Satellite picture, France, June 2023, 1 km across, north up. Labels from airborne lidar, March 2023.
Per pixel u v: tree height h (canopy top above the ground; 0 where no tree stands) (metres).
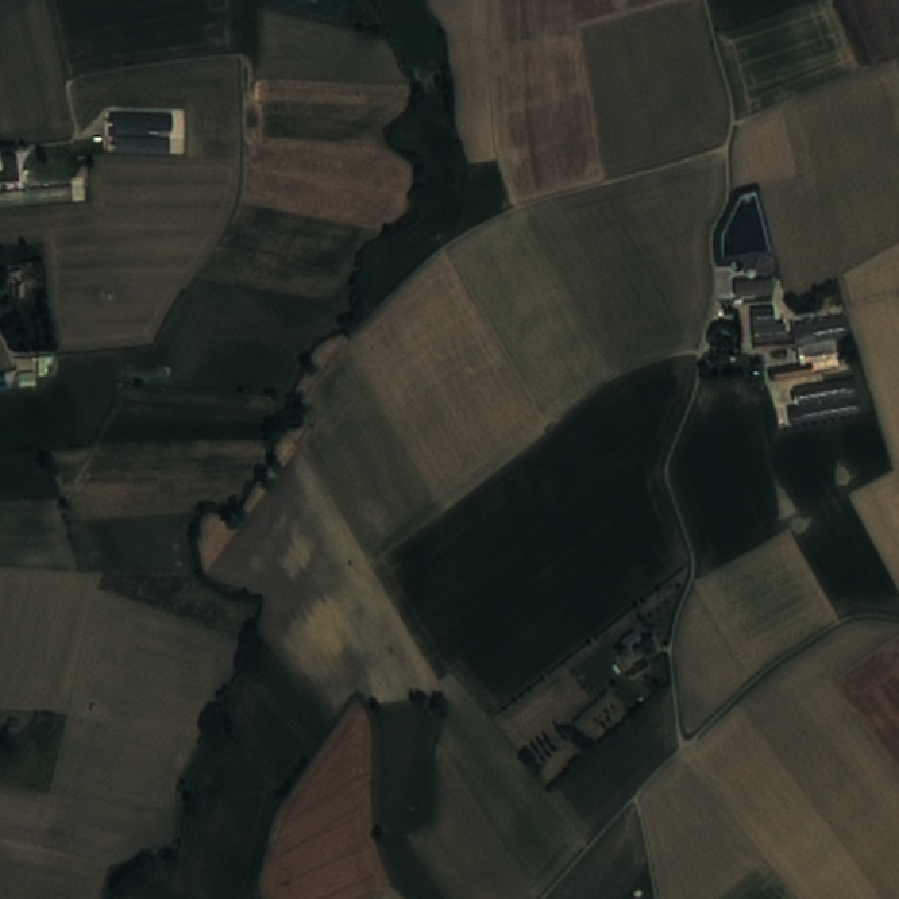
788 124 0
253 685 0
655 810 0
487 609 0
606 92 0
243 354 0
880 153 0
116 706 0
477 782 0
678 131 0
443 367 0
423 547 0
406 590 0
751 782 0
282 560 0
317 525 0
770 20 0
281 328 0
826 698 0
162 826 0
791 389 0
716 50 0
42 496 0
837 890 0
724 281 0
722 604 0
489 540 0
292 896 0
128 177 0
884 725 0
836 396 0
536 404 0
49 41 0
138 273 0
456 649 0
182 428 0
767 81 0
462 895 0
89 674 0
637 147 0
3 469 0
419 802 0
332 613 0
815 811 0
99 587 0
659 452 0
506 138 0
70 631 0
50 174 0
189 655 0
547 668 0
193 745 0
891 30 0
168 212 0
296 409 15
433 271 0
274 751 0
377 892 0
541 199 0
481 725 0
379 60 0
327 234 0
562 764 0
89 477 0
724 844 0
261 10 0
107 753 0
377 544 0
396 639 0
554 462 0
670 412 0
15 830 0
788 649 0
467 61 0
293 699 0
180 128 0
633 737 0
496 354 0
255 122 0
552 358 0
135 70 0
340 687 0
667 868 0
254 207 0
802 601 0
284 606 0
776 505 0
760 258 0
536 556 0
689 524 0
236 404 0
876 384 0
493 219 0
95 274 0
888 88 0
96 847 0
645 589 0
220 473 0
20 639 0
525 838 0
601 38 0
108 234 0
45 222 0
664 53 0
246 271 0
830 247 0
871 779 0
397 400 0
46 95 0
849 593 0
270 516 0
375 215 0
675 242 0
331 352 0
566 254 0
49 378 0
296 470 0
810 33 0
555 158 0
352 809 0
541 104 0
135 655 0
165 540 0
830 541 0
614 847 0
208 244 0
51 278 0
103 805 0
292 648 0
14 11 0
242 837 0
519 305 0
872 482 0
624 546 0
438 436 0
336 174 0
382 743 0
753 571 0
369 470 0
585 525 0
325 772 0
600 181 0
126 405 0
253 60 0
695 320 0
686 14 0
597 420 0
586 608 0
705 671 0
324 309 0
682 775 0
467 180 0
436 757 0
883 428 0
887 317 0
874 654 0
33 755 0
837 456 0
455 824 0
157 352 0
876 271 0
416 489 0
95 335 0
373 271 0
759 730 0
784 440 0
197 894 0
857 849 0
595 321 0
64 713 0
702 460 0
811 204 0
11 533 0
